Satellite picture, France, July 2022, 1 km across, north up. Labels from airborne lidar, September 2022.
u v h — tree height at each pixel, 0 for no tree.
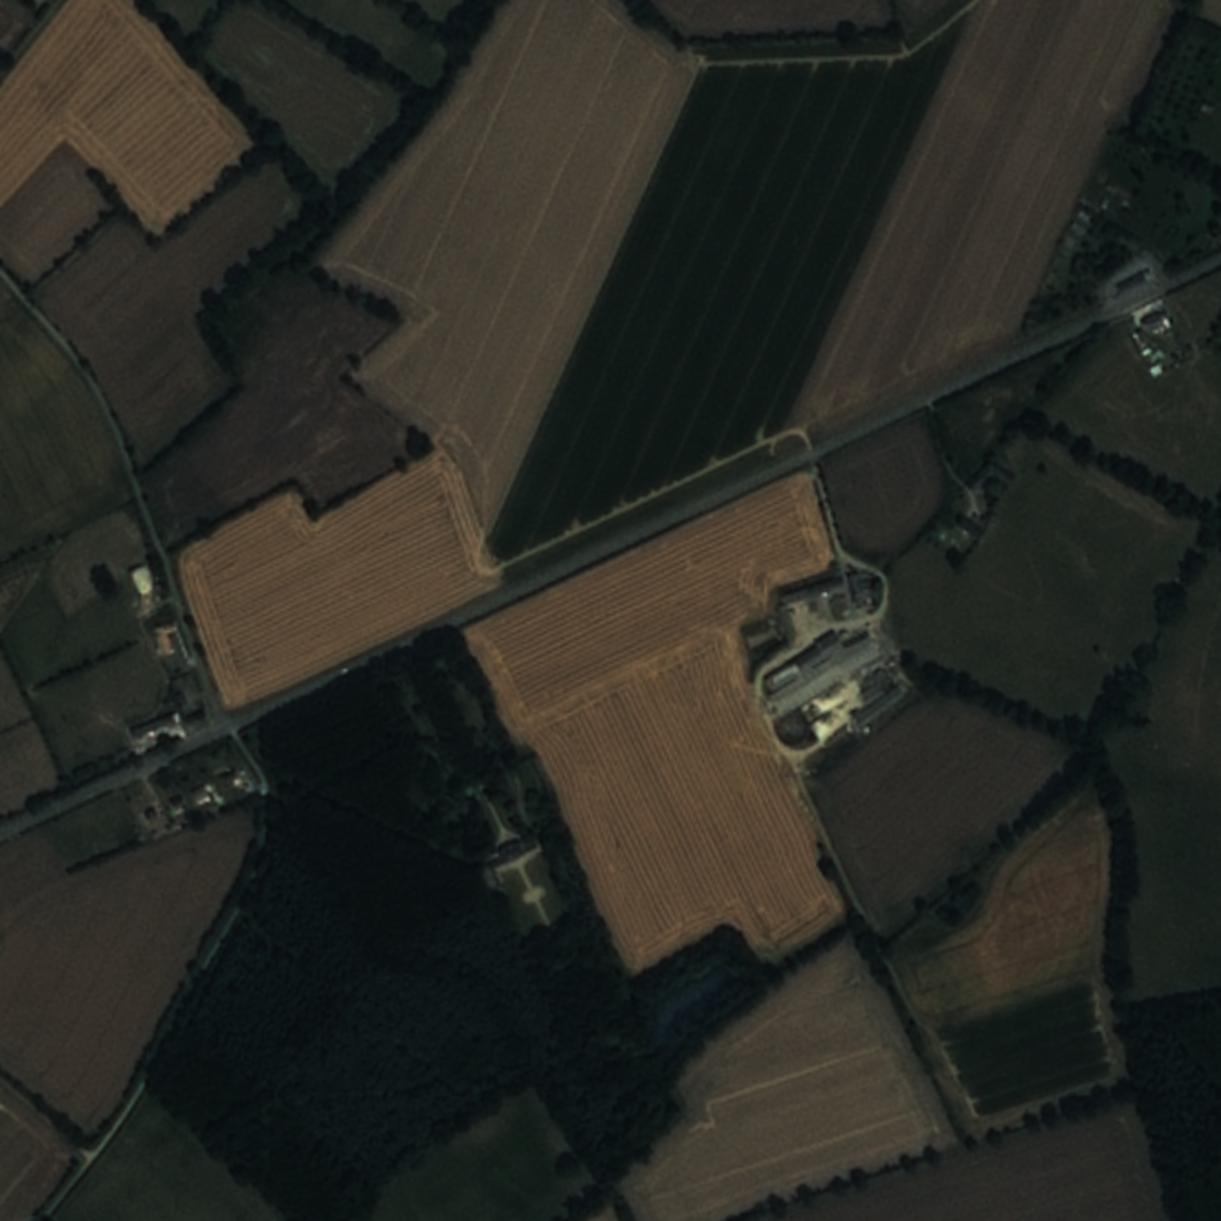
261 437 0
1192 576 17
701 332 0
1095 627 0
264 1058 24
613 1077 20
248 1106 19
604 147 0
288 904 20
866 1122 0
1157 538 0
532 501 0
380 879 16
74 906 0
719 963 8
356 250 0
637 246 0
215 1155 16
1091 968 0
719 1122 0
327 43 11
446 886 17
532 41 0
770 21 0
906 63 0
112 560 0
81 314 0
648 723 0
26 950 0
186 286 0
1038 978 0
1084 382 0
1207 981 0
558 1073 17
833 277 0
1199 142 0
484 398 0
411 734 17
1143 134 13
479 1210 0
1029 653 0
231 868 0
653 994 14
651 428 0
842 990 0
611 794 0
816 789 0
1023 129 0
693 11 0
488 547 0
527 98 0
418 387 0
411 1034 16
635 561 0
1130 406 0
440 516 0
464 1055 15
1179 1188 15
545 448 0
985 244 0
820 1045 0
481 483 0
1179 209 6
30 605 0
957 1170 0
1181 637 0
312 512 16
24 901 0
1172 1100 22
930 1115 0
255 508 8
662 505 0
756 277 0
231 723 0
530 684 0
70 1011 0
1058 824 0
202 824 15
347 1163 10
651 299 0
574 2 0
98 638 0
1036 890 0
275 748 13
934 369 0
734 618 0
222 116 0
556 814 8
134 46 0
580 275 0
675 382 0
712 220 0
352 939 22
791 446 0
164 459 7
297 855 20
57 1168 0
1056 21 0
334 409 0
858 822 0
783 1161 0
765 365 0
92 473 0
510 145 0
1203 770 0
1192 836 0
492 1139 0
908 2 0
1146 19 0
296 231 12
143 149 0
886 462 0
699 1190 0
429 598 0
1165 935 0
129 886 0
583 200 0
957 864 0
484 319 0
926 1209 0
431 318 0
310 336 0
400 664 17
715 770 0
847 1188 14
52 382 0
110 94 0
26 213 0
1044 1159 0
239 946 19
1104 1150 0
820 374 0
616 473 0
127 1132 0
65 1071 0
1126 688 15
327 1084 14
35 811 12
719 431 0
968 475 0
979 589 0
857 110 0
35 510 0
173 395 0
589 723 0
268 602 0
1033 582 0
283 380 0
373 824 16
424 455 12
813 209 0
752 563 0
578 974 22
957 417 0
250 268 6
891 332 0
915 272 0
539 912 0
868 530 0
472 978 14
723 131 0
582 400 0
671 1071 21
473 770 15
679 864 0
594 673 0
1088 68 0
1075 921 0
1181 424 0
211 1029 20
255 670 0
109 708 0
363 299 7
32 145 0
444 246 0
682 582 0
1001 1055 0
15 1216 0
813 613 0
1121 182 0
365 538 0
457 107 0
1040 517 0
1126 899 16
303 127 0
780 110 0
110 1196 0
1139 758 0
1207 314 0
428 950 16
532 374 0
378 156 14
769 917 0
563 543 0
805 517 0
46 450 0
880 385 0
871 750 0
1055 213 0
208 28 12
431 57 0
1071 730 17
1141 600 0
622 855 0
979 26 0
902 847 0
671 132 0
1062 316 7
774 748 0
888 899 0
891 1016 0
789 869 0
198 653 9
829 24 0
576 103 0
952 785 0
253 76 0
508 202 0
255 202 0
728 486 0
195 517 0
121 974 0
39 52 0
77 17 0
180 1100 15
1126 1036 17
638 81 0
